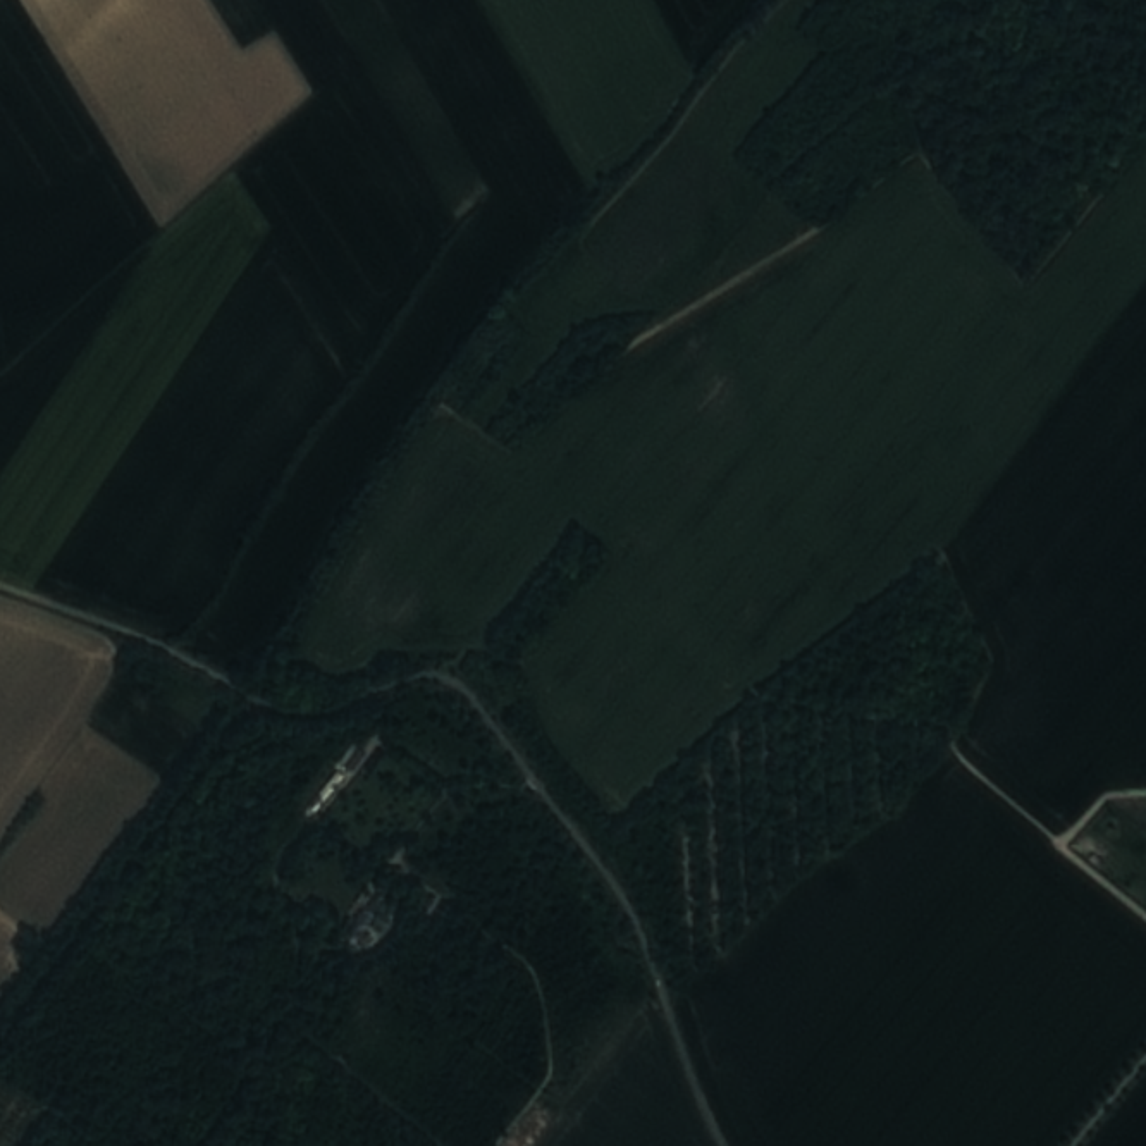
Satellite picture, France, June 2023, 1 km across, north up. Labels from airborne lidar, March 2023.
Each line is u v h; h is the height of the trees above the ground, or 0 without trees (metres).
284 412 0
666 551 0
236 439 0
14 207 0
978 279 0
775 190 8
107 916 15
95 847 0
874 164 10
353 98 0
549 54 0
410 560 0
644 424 0
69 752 0
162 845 15
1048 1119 0
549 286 0
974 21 19
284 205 0
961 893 0
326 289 0
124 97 0
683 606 0
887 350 0
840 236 0
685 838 7
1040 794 0
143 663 21
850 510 0
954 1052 0
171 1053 20
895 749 16
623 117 0
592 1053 0
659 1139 0
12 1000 10
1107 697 0
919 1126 0
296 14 0
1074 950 0
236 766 7
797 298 0
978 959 0
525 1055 10
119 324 0
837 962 0
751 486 0
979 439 0
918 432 0
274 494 14
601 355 12
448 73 0
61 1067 10
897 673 12
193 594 0
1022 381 0
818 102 7
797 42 0
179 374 0
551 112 0
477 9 0
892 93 10
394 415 0
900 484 0
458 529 0
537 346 0
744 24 10
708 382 0
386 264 0
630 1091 0
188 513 0
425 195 0
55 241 0
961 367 0
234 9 0
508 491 0
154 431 0
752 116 0
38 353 0
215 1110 13
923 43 11
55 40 0
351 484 0
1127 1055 0
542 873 13
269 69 0
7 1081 16
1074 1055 0
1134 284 0
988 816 0
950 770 0
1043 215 9
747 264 0
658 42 0
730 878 10
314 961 19
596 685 0
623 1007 0
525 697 8
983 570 0
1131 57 16
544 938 7
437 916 6
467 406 7
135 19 0
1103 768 0
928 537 0
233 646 0
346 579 0
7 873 0
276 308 0
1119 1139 0
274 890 19
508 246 0
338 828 20
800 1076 0
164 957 20
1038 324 0
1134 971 0
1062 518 0
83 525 0
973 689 6
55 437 0
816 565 0
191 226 0
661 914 8
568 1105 0
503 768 11
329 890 0
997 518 0
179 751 0
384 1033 0
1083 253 0
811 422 0
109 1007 12
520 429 12
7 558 0
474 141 0
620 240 0
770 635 0
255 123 0
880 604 8
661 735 0
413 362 0
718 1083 0
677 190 0
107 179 0
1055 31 20
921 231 0
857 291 0
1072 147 17
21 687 0
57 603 0
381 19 0
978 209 19
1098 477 0
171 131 0
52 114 0
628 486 0
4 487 0
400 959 12
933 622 11
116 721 0
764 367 0
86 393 0
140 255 0
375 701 16
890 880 0
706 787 8
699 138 0
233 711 8
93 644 0
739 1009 0
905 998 0
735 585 0
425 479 0
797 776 8
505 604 0
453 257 0
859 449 0
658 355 0
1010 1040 0
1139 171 0
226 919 15
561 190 0
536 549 0
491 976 18
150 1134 10
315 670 13
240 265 0
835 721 17
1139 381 0
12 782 0
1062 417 0
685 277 0
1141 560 0
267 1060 20
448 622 0
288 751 16
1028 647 0
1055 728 0
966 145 21
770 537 0
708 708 0
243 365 0
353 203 0
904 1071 0
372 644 0
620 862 8
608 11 0
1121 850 0
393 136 0
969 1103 0
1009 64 22
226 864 17
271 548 0
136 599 0
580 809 9
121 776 0
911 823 0
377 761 10
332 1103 11
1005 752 0
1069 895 0
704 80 7
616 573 0
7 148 0
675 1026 0
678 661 0
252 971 18
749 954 0
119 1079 7
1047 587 0
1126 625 0
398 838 9
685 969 14
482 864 10
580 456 0
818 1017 0
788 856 13
